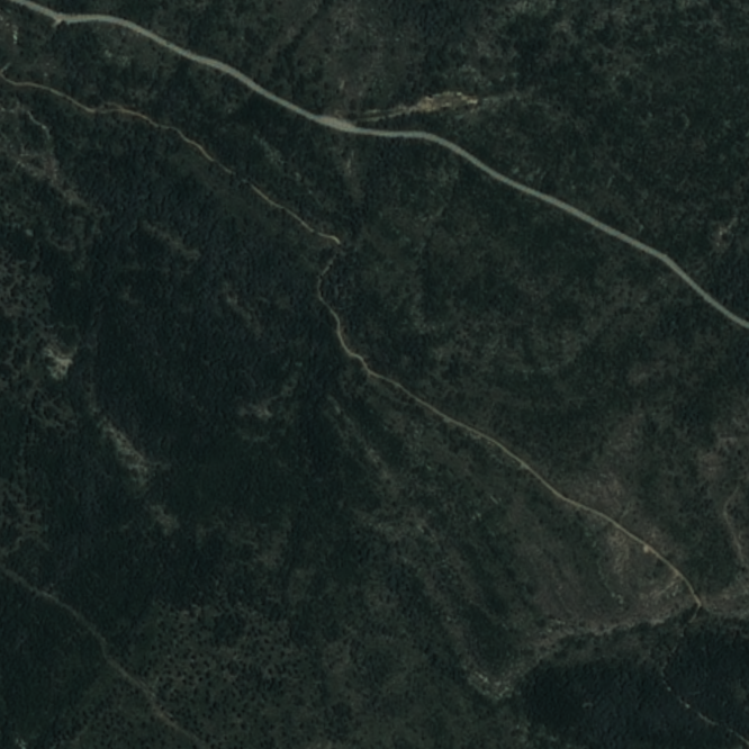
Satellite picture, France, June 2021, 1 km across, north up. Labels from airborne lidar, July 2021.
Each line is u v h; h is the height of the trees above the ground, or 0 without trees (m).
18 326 8
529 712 7
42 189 6
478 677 0
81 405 6
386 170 8
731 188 7
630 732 12
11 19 0
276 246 7
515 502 0
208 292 11
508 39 5
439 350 0
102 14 0
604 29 6
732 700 10
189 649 8
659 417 0
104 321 9
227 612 9
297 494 6
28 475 8
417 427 0
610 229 0
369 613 6
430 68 7
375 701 7
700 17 6
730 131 6
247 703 6
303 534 6
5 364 9
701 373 7
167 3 8
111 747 8
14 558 9
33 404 10
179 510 6
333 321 6
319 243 0
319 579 6
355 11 0
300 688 6
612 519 0
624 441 0
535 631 0
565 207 0
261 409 0
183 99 5
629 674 9
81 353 9
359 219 9
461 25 7
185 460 7
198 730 10
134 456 0
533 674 7
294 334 10
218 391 9
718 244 0
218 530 8
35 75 6
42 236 7
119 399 7
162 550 9
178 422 5
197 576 8
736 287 7
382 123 6
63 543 9
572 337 0
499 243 0
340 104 0
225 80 7
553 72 8
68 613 7
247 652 9
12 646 13
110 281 10
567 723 9
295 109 0
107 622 6
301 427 9
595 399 7
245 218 8
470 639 6
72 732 11
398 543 9
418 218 0
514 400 0
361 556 8
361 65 0
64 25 8
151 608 10
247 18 0
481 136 0
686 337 7
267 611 10
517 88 7
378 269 0
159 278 8
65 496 7
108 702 9
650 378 7
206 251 11
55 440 10
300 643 6
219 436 6
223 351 8
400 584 10
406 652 0
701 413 9
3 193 7
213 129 6
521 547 0
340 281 10
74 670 8
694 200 8
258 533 7
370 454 0
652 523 0
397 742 7
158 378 7
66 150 6
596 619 0
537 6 0
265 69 0
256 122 6
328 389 7
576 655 0
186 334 9
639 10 6
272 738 8
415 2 8
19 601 9
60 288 7
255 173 7
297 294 11
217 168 6
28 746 6
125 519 9
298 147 5
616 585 0
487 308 7
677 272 0
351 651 6
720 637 6
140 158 9
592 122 7
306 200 7
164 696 11
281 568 6
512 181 0
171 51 0
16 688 8
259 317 6
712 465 0
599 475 0
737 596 0
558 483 0
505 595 0
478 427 0
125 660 9
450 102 0
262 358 10
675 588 0
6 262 9
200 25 7
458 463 0
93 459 7
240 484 7
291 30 0
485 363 0
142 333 7
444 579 6
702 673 12
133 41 0
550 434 6
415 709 0
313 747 0
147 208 7
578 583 0
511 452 0
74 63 7
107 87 6
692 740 9
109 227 7
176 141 7
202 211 11
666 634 7
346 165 0
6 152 6
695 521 5
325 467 8
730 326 7
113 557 8
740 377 7
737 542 0
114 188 8
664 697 8
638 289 0
